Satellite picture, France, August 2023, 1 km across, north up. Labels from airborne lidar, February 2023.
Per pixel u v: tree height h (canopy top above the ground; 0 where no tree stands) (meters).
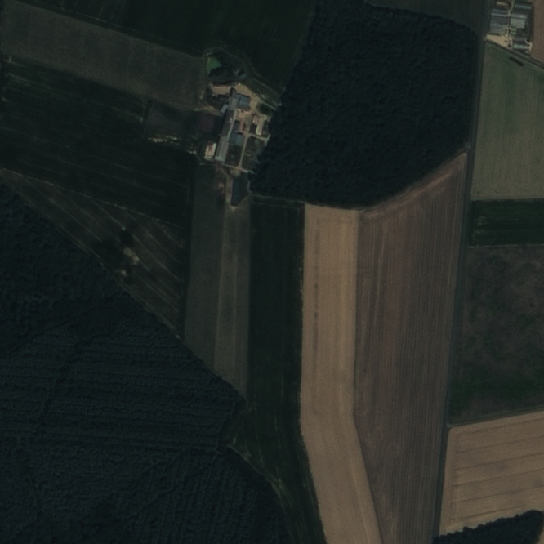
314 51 20
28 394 14
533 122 0
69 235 0
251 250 0
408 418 0
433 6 0
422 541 0
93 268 22
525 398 0
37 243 26
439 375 0
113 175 0
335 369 0
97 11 0
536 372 0
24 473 16
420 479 0
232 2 0
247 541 16
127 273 0
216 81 0
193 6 0
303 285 0
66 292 16
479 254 0
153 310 0
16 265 16
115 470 18
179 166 0
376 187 19
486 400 0
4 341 18
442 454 0
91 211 0
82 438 16
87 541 25
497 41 0
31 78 0
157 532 18
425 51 18
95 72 0
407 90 22
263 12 0
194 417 17
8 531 18
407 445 0
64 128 0
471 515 0
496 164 0
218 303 0
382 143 22
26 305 16
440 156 14
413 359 0
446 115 21
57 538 20
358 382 0
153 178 0
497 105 0
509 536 22
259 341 0
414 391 0
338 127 22
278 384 0
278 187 21
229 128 0
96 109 0
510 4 0
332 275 0
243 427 0
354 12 17
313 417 0
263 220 0
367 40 21
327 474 0
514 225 0
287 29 0
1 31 0
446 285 0
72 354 11
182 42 0
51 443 14
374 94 20
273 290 0
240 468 11
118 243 0
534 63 0
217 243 0
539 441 0
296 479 0
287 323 0
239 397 14
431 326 0
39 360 17
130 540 19
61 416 17
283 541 19
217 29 0
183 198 0
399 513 0
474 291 0
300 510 0
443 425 0
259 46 0
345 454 0
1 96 0
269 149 9
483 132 0
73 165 0
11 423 17
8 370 19
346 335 0
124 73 0
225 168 0
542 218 0
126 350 18
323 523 0
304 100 22
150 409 15
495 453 0
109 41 0
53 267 20
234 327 0
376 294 0
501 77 0
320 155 15
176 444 16
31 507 17
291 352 0
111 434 19
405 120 21
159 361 18
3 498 18
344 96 22
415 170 16
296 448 0
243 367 0
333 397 0
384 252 0
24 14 0
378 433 0
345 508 0
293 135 20
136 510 15
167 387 16
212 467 17
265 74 0
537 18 0
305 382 0
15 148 0
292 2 0
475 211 0
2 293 10
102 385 19
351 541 0
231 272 0
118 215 0
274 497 16
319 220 0
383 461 0
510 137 0
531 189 0
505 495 0
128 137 0
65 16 0
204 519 14
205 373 17
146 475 15
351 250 0
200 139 0
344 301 0
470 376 0
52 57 0
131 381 16
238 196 0
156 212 0
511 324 0
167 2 0
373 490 0
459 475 0
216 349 0
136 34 0
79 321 14
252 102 0
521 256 0
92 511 19
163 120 0
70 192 0
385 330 0
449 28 17
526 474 0
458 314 0
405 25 21
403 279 0
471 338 0
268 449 0
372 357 0
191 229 0
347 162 24
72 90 0
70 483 17
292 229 0
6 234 25
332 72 23
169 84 0
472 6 0
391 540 0
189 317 0
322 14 17
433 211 0
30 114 0
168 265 0
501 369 0
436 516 0
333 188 21
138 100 0
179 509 16
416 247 0
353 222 0
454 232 0
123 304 16
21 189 0
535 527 21
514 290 0
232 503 18
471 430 0
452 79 18
